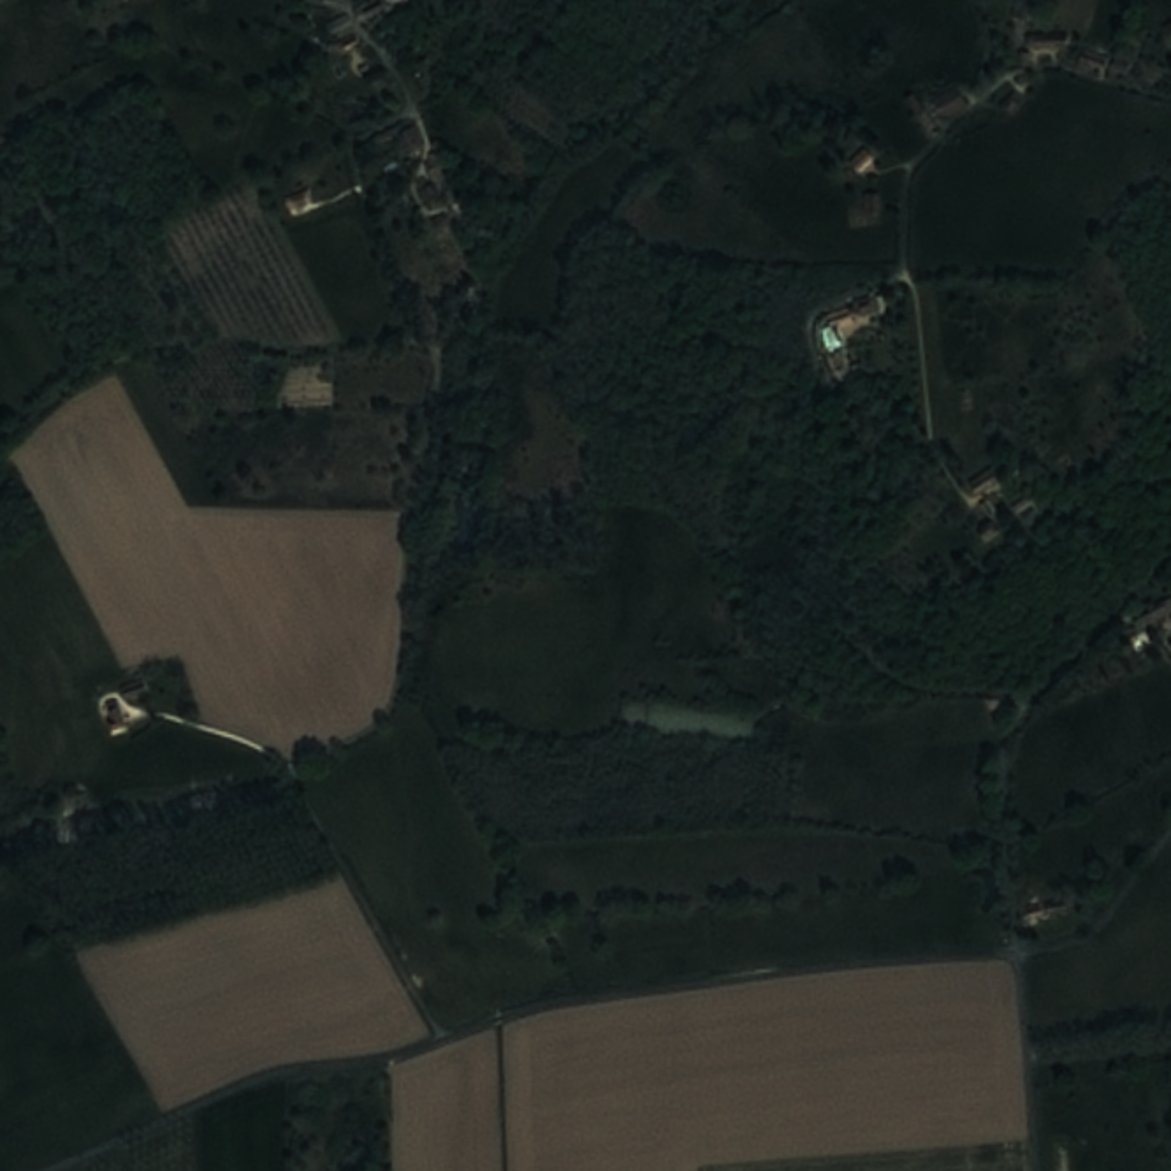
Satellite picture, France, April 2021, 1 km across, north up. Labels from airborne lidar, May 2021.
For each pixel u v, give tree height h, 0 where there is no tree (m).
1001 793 17
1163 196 9
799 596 20
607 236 19
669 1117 0
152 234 22
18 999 0
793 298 10
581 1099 0
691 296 13
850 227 0
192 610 0
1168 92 7
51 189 24
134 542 0
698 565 0
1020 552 14
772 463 14
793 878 0
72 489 0
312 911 0
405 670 9
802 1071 0
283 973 0
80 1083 0
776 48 0
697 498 17
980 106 0
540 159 21
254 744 0
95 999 0
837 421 17
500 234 22
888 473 15
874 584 17
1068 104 0
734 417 17
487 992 0
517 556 19
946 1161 0
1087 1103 0
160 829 30
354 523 0
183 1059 0
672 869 0
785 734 6
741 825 17
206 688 0
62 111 17
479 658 0
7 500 19
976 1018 0
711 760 7
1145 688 0
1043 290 10
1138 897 0
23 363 0
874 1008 0
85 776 0
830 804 0
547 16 15
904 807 0
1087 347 9
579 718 0
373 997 0
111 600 0
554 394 10
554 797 7
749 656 6
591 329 14
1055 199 0
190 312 16
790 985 0
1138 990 0
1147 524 14
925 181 0
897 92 0
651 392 16
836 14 0
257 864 0
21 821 11
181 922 26
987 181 0
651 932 0
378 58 5
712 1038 0
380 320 0
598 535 16
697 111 0
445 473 8
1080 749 0
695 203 0
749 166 0
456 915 0
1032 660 18
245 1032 0
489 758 18
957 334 0
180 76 0
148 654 0
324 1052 0
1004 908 16
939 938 0
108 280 21
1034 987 0
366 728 0
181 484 0
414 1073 0
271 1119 0
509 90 18
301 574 0
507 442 7
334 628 0
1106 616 16
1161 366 18
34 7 0
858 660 17
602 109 20
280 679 0
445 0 11
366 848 0
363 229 0
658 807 9
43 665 0
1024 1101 0
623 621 0
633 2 18
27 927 0
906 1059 0
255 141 0
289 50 0
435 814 0
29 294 17
